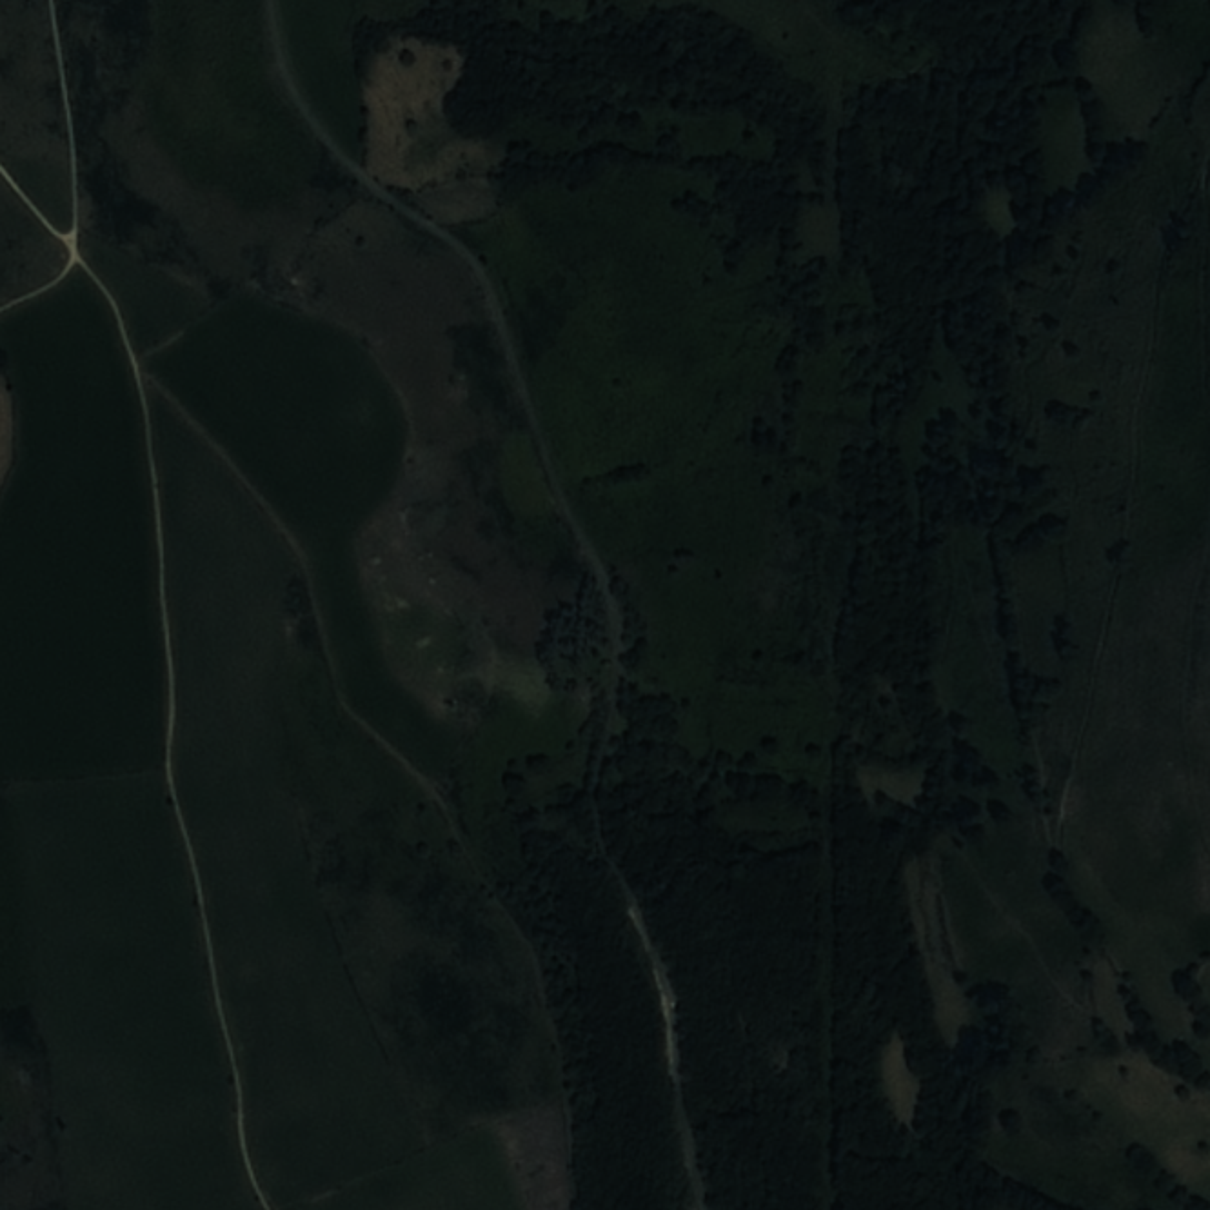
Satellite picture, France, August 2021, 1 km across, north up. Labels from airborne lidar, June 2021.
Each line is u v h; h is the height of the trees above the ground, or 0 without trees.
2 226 0
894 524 16
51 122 0
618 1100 16
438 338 0
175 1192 0
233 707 0
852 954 12
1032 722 14
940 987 0
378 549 0
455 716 0
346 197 0
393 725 0
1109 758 0
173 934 0
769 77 8
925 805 12
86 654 0
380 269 0
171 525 0
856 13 14
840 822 16
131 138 0
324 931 0
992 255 16
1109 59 0
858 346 5
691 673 0
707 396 0
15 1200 0
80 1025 0
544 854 11
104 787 0
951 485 19
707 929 18
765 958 21
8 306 0
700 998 17
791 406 14
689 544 0
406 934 0
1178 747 0
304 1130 0
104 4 0
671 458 0
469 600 0
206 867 0
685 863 19
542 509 0
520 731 0
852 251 17
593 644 14
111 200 0
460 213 0
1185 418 0
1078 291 0
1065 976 0
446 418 0
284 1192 0
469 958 0
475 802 0
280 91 0
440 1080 0
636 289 0
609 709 16
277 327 0
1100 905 0
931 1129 18
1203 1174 0
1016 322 8
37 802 0
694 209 14
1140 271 0
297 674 0
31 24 0
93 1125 0
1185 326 0
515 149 12
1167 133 0
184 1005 0
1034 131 22
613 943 16
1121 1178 0
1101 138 7
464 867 0
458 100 14
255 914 0
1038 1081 0
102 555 0
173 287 0
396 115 0
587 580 12
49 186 0
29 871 0
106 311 0
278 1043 0
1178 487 0
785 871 15
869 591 19
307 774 0
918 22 16
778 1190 19
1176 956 0
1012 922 0
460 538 0
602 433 0
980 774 12
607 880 16
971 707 0
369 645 0
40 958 0
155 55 0
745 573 0
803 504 14
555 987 5
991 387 18
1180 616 0
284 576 0
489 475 0
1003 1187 18
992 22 24
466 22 12
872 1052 13
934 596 16
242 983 0
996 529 17
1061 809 0
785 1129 15
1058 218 19
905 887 14
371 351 0
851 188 17
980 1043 17
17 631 0
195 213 0
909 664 16
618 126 14
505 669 0
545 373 0
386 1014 0
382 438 0
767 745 14
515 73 11
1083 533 0
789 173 7
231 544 0
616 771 16
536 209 0
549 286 0
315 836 0
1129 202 0
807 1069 14
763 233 16
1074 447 0
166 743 0
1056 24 9
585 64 9
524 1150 0
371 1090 0
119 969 0
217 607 0
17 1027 0
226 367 0
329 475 0
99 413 0
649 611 0
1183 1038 0
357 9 0
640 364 0
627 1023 16
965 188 16
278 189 0
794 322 7
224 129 0
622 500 0
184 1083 0
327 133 0
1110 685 0
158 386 0
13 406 0
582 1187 12
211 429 0
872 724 7
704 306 0
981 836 19
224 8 0
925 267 16
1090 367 0
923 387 8
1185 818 0
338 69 0
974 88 27
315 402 0
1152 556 0
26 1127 0
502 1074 0
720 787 18
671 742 17
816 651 0
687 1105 10
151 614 0
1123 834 0
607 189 0
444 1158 0
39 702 0
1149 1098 0
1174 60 0
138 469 0
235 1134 0
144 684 0
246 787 0
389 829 0
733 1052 17
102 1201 0
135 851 0
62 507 0
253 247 0
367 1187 0
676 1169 15
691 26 7
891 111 16
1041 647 0
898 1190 18
